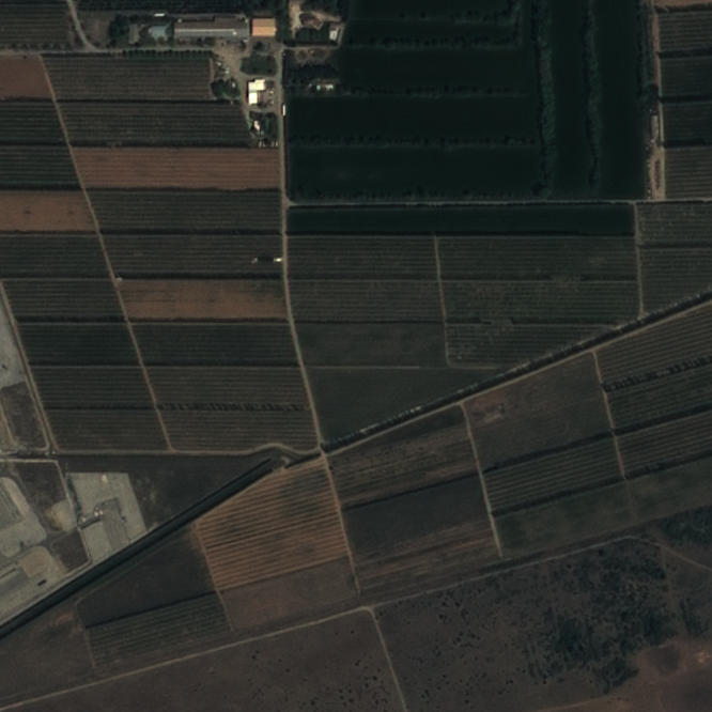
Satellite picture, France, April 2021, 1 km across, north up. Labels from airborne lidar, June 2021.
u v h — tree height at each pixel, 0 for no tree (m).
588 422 0
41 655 0
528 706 0
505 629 0
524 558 0
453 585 0
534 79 0
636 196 0
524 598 0
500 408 0
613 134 0
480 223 0
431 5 0
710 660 0
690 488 0
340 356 0
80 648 0
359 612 0
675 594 0
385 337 0
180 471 0
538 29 18
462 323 13
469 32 0
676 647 0
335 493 0
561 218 0
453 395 0
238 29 0
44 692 0
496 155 0
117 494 0
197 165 0
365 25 0
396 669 0
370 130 0
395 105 0
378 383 0
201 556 0
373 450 0
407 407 0
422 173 0
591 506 0
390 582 0
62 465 0
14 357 0
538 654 0
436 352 0
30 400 0
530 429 0
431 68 0
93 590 0
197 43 9
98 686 0
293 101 0
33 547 0
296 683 0
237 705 0
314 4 9
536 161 0
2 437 0
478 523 0
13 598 0
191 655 0
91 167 0
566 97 0
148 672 0
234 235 16
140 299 0
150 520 0
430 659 0
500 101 0
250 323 14
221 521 0
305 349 0
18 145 12
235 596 0
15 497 0
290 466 8
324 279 13
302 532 0
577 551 0
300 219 0
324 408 0
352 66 0
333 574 0
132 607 0
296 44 8
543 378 0
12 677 0
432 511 0
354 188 0
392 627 0
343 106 0
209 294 0
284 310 0
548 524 0
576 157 0
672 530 8
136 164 0
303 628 0
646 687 0
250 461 0
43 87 0
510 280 13
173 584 0
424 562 0
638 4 10
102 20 0
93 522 0
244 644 0
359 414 0
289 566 0
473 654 0
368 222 0
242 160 0
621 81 0
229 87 10
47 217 0
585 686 0
